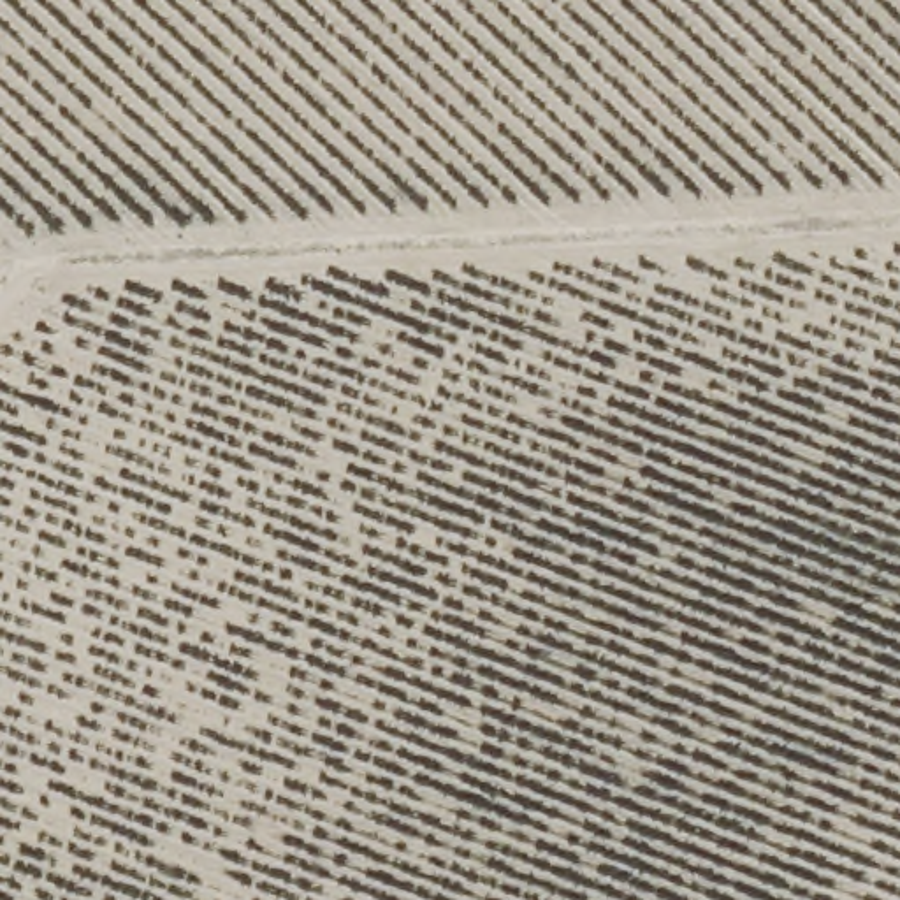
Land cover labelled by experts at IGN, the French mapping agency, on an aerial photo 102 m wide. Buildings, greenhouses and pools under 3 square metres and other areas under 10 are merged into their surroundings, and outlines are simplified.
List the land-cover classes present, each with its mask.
<instances>
[{"label":"vineyard","instance_id":"1","mask_svg":"<svg viewBox=\"0 0 900 900\"><path fill-rule=\"evenodd\" d=\"M633 109H640L643 120H650L654 130H661L664 141H671L689 162H696L721 193H735L731 183L721 176L724 169L742 176L752 193H763L773 183L780 190H795L802 183H854L861 176H868L879 186L900 176V0H0V229L7 232L11 225H18L25 236H35V229L42 225L49 232H63L74 221L88 229L102 218L120 221L130 214L144 225H151L162 214L176 225L229 218L246 221L257 211L267 218H285L292 211L295 218H306L313 211L330 214L341 200L359 214L376 204L394 211L404 200L425 211L439 200L446 207H457V197L464 193L475 204L489 207L499 200H517L506 183H499V172L517 176L538 204H548L559 193L570 200H584L591 193L601 200L622 193L636 197L647 186H654L664 197V179L643 158L633 155L636 144L647 148V155H657L661 169H671L682 190L696 197V179L686 169H679L664 151H657V144H650V137L629 120ZM689 271L710 278L707 299L671 288L664 264L650 257H640L629 267H619L601 257L584 267L555 260L548 274L527 271L520 285L475 264H464L457 278L446 271H432L425 278L387 271L380 281H369L345 267H327L323 278L302 274L292 285L271 278L260 288H246L229 278L204 281L200 288L179 278L162 288L127 281L123 295L109 288H84L81 295H63V323L74 330V345L113 359L116 369L91 366L84 376L77 369H63L56 362L53 341H42L28 355L21 348V330H11L0 345V355L21 359L28 383H35V394H28L0 380V900H900V243H893L886 278H875L868 267H851L830 257L826 267L851 271L847 281H837L833 274H823V267H809L788 253H773L766 264L735 257V267L728 271L700 257H686Z\"/></svg>","mask_w":900,"mask_h":900},{"label":"plowed land","instance_id":"2","mask_svg":"<svg viewBox=\"0 0 900 900\"><path fill-rule=\"evenodd\" d=\"M629 120L650 137V144H657V151H664L679 169H686L696 179V197L682 190L671 169H661L657 155H647V148L636 144L633 155L643 158L664 179V197L654 186H647L636 197L622 193L601 200L591 193L584 200H570L559 193L548 204H538L517 176L499 172V183H506L517 200H499L489 207L475 204L464 193L457 197V207H446L439 200L425 211L404 200L394 211L376 204L359 214L341 200L330 214L313 211L306 218H295L292 211L285 218H267L257 211L246 221L229 218L176 225L162 214L151 225H144L130 214L120 221L102 218L88 229L74 221L63 232H49L42 225L35 229V236H25L18 225H11L7 232L0 229V345L11 330H21V348L28 355L42 341H53L56 362L63 369H77L84 376L91 366L116 369L113 359L74 345V330L63 323V295H81L84 288H109L123 295L127 281L162 288L179 278L200 288L204 281L229 278L246 288H260L271 278L292 285L302 274L323 278L327 267H345L369 281H380L387 271L425 278L432 271H446L457 278L464 264H475L520 285L527 271L548 274L555 260L584 267L601 257L619 267H629L640 257H650L664 264L671 288L707 299L710 278L689 271L686 257H700L728 271L735 267V257L766 264L773 253H788L809 267H823V274H833L837 281H847L851 271L826 267L830 257L851 267H868L875 278H886L893 243H900V176L879 186L868 176H861L854 183H802L795 190H780L773 183L763 193H752L742 176L724 169L721 176L731 183L735 193H721L696 162H689L671 141H664L661 130H654L650 120H643L640 109H633ZM0 380L28 394H35V383H28L21 359L0 355Z\"/></svg>","mask_w":900,"mask_h":900}]
</instances>
